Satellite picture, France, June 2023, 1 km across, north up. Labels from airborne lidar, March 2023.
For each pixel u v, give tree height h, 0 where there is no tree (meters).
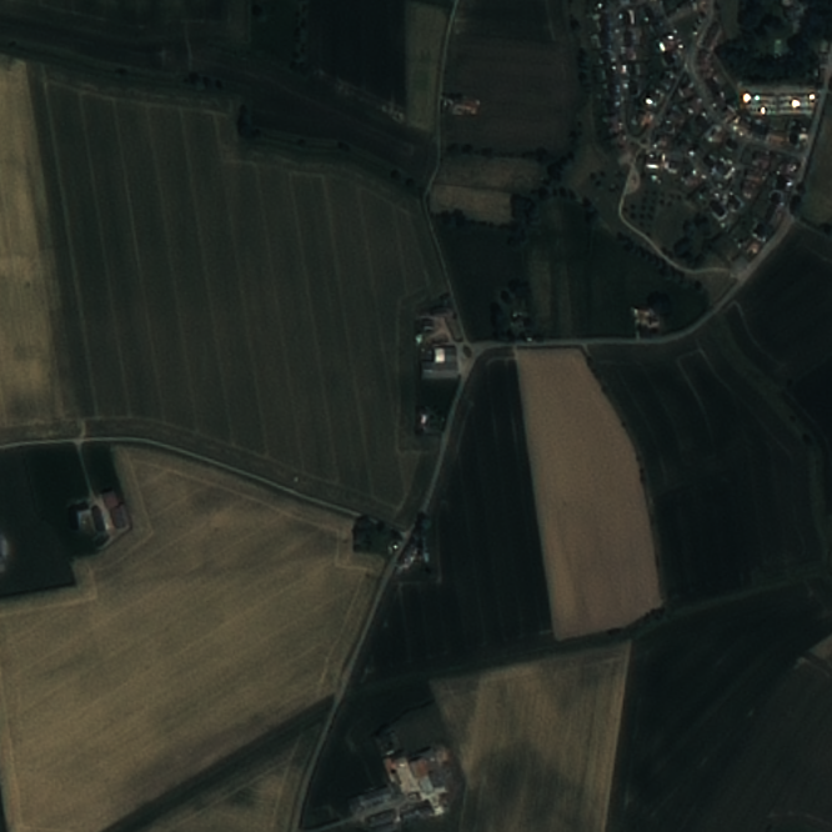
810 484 0
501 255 0
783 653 0
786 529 0
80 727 0
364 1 0
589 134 0
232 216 0
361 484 0
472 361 0
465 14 0
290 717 0
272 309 0
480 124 0
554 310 0
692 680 0
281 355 0
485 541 0
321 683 0
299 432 0
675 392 0
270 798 0
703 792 0
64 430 0
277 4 0
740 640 0
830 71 0
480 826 0
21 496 0
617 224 0
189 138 0
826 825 0
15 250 0
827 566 0
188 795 0
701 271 0
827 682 0
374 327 0
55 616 0
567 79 0
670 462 0
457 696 0
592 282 0
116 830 0
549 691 0
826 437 0
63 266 0
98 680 0
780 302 0
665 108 0
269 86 0
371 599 0
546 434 0
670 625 0
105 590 0
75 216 0
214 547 0
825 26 18
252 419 0
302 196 0
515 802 0
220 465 0
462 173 0
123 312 0
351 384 0
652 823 0
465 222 23
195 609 0
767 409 0
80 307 0
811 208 0
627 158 0
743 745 0
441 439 0
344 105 0
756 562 0
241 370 0
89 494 0
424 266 0
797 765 0
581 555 0
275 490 0
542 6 0
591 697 0
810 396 0
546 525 0
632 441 0
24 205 0
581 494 0
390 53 0
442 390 0
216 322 0
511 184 0
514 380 0
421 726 0
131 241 0
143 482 0
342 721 0
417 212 0
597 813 0
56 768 0
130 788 0
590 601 0
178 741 0
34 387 0
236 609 0
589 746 0
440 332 0
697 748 0
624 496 0
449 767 0
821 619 0
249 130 14
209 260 0
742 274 0
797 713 0
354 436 0
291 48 0
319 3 0
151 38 0
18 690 0
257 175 0
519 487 0
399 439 0
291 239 0
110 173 0
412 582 0
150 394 0
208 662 0
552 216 0
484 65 0
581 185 0
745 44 7
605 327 0
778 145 0
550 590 0
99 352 0
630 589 0
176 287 0
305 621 0
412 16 0
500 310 15
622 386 0
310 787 0
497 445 0
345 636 0
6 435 0
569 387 0
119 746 0
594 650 0
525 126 0
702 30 0
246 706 0
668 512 0
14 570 0
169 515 0
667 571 0
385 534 11
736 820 0
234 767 0
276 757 0
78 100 0
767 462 0
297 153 0
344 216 0
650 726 0
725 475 0
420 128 0
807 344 0
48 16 0
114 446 0
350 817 0
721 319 0
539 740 0
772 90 0
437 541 0
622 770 0
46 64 0
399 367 0
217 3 0
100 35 0
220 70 0
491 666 0
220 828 0
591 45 0
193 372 0
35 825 0
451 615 0
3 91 0
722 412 0
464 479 0
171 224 0
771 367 0
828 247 0
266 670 0
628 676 0
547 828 0
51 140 0
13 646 0
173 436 0
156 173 0
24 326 0
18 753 0
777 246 0
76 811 0
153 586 0
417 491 0
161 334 0
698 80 0
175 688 0
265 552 0
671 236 0
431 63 0
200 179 0
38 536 0
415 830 0
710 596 0
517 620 0
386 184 0
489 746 0
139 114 0
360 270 0
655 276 0
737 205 0
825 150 0
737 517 0
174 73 0
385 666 0
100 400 0
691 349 0
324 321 0
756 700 0
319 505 0
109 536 0
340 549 0
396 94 0
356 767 0
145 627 0
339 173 0
